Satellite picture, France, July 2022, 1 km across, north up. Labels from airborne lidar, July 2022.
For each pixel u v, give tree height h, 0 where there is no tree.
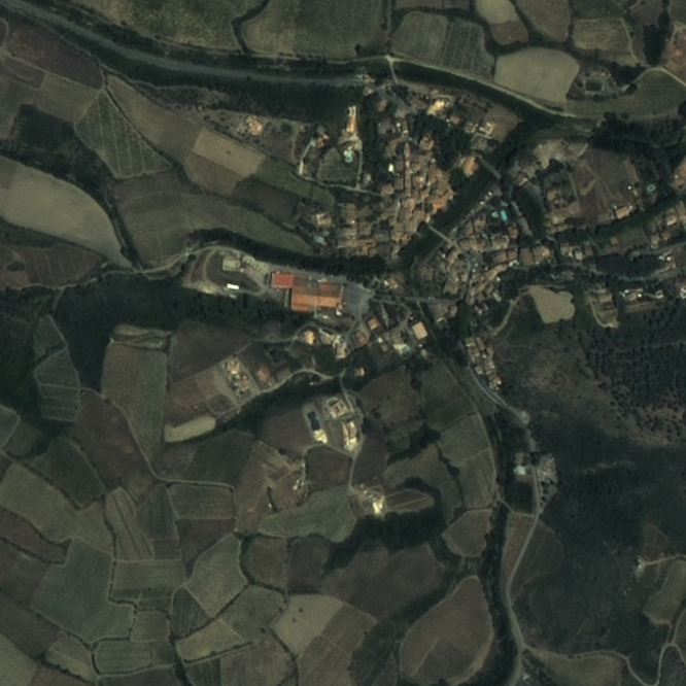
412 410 0
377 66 0
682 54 0
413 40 0
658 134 13
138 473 0
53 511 0
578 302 8
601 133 14
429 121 15
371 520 6
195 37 0
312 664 0
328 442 0
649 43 12
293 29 0
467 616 0
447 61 0
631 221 21
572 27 6
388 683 0
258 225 0
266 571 0
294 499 0
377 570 0
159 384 0
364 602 0
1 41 0
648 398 10
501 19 0
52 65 0
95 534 0
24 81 0
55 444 0
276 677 0
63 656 0
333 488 0
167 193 0
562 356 0
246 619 0
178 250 0
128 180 7
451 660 0
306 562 0
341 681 0
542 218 23
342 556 5
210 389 0
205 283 0
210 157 0
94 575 0
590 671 0
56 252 0
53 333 0
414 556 0
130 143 0
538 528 0
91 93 0
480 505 0
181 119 0
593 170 0
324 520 0
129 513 0
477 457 0
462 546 0
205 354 0
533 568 0
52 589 0
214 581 0
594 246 8
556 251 8
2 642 0
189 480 0
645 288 8
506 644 14
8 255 0
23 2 0
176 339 0
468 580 0
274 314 6
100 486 0
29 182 0
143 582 0
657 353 11
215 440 0
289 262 12
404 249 13
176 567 0
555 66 0
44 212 0
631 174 0
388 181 8
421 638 0
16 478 0
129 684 0
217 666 0
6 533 0
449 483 0
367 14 0
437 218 11
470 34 0
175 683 0
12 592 0
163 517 0
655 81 0
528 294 0
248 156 0
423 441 12
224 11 0
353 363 8
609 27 0
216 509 0
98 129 0
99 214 0
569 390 0
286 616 0
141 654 0
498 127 0
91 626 0
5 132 0
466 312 18
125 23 6
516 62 0
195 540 0
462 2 0
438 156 10
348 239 0
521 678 0
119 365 0
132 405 0
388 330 8
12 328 9
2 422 0
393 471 0
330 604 0
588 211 0
